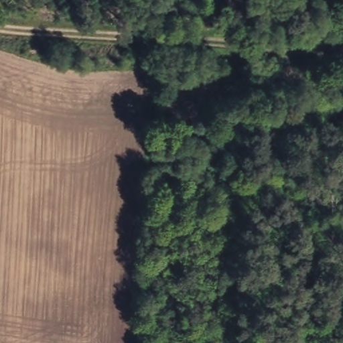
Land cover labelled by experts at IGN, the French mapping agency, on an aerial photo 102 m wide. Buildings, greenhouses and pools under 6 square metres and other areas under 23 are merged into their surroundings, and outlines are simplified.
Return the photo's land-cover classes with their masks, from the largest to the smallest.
<instances>
[{"label":"coniferous trees","instance_id":"1","mask_svg":"<svg viewBox=\"0 0 343 343\"><path fill-rule=\"evenodd\" d=\"M213 12L206 15L202 21L206 28L224 32L225 38H228V39H229L244 27L248 32L256 31V23L260 16L249 15V0H212ZM305 8L300 11L296 9L288 20H271L272 32H277L280 28L297 29L310 21L334 20L340 23V12L343 13V0H304ZM186 9L180 8L165 13L163 35L176 31V17H185ZM159 48H161V43L157 42V40L155 39H145L142 42L141 50V56L143 59H145L147 58V56L151 54V52H153L154 50H159ZM265 58H275L280 70L275 75L268 76L264 83H252L249 80L252 75V64L243 56L221 55L218 58V67L229 66V75L222 76L214 82L198 84L192 90L178 91L177 99L170 106H162L155 114L142 115V133L145 135L147 131L157 130L169 122L176 125L184 123L192 127H209L218 114L229 115L233 110L243 109L253 113L263 110L265 106H272L271 113L275 114L279 106L287 105V110L297 111L304 103L305 71L311 72L312 82H319L323 76L334 75L331 72V63H338L343 58V44L320 43L312 51L291 50L287 51L285 56L277 54L276 51H267L264 54ZM232 141L226 142L224 147L218 149L210 158L209 163L214 167L212 188L200 182L196 193L190 198H184L188 188L181 184L180 178L165 173L154 182L153 192L145 193L139 202V209L147 221L135 241L137 267L147 261L158 263L161 256H166L169 261V264L153 277L149 287L143 288L141 297L133 303L135 312L127 322L129 327L123 335V343H193L190 335L193 334L194 324H202L209 331L221 327L222 343H303L300 342L301 331L312 326L324 327L326 324H332L334 331L327 335L322 343H343V229L334 225L324 232L326 240H316L312 243V232L308 226L323 222L335 214H343V110L335 113L314 111L305 114L304 121L299 125H283L271 130H263L261 127L248 130L245 129L244 123H237L233 129ZM234 181L243 185L256 184L260 188L259 192L252 196H241L233 192ZM193 202L198 204L197 218L210 216L216 213L217 209H229L226 224L216 232L205 230L197 241H192L189 234H184L171 238L169 245H158V234L167 232V226L171 224H181L184 210Z\"/></svg>","mask_w":343,"mask_h":343},{"label":"agricultural land","instance_id":"2","mask_svg":"<svg viewBox=\"0 0 343 343\"><path fill-rule=\"evenodd\" d=\"M145 39L139 38L138 35L134 36L133 42L126 46L115 44L119 54L133 56V71H98L90 74L79 72H59L47 64L0 51V343H123V335L129 327L127 322L135 312L133 303L141 297L143 288L135 279L137 267L135 241L147 221L139 209V202L145 193L142 186L143 178L151 170L157 169L159 163L145 161V154L149 149L146 147L145 135L142 133V115L155 114L162 106L157 102L163 90L162 83L143 70L142 64L145 59H143L141 56V50L142 42Z\"/></svg>","mask_w":343,"mask_h":343},{"label":"deciduous trees","instance_id":"3","mask_svg":"<svg viewBox=\"0 0 343 343\"><path fill-rule=\"evenodd\" d=\"M180 8L186 9L185 17H176V31L163 35L165 13ZM305 8L304 0H249V15L260 16L256 23V31L248 32L244 27L229 39V40H230V44H225V48H218V47H210V46H208V44H206V46H201L200 42H201V39H202V38H206V39H208V38H210V36H222V38H225L224 32L206 28L202 21L206 15L213 12L212 0H137L133 4V16L127 21L125 29L126 33H133L134 36L138 35L139 38L145 39H155L157 40V42L161 43V48H159V50H154L153 52H151V54L147 56V58L145 59L142 64L143 70L162 83L163 90L157 102L162 106H170L177 99L178 91L192 90L198 84L214 82L222 76L229 75V66L218 67V58L221 55L243 56L252 64V75L249 80L252 83H264L268 76L275 75L280 70L275 58H265L264 54L267 51H276L277 54L285 56L287 51L291 50L312 51L320 43L343 44V13L340 12V23L334 20L310 21L297 29L280 28L277 32H272L271 20H288L296 9L300 11ZM84 59V52L74 39L64 38L62 43L52 47L51 62L47 64L59 72H79L83 70ZM331 72L334 75L323 76L319 82H312L311 72L305 71L304 103L297 111L287 110V105L279 106L275 114L271 113L272 106H265L263 110L253 113L243 109L233 110L229 115L218 114L209 127H192L184 123L176 125L169 122L157 130L147 131L145 135L146 147L149 149L145 154V161L159 163L157 169L151 170L143 178L142 186L145 193L153 192L154 182L165 173L180 178L181 184L188 188L184 198H190L196 193L200 182L212 188L214 167L209 163L210 158L218 149L224 147L226 142L232 141L233 129L237 123H244L245 129L248 130L261 127L263 130H271L283 125H299L304 121L305 114L314 111L335 113L343 110V58L338 63H331ZM233 192L241 196H252L259 192L260 188L256 184L243 185L234 181ZM198 204L193 202L184 210L181 224H171L167 226V232L158 234V245H169L171 238L184 234H189L192 241H197L205 230L216 232L226 224L229 209H217L216 213L210 216L197 218ZM334 225L343 229V214H335L323 222L308 226L312 232V243L316 240H326L324 232ZM169 264V261L166 256H161L158 263L147 261L137 267L135 279L143 288L149 287L153 277ZM193 343H222L221 327L209 331L202 324H194L193 334L190 335ZM334 331L332 324H326L324 327L312 326L301 331L300 342L303 343H322L327 335Z\"/></svg>","mask_w":343,"mask_h":343},{"label":"herbaceous vegetation","instance_id":"4","mask_svg":"<svg viewBox=\"0 0 343 343\"><path fill-rule=\"evenodd\" d=\"M137 0H90L82 9L83 17H86L84 25L78 29L80 35H94V32L100 29L117 31V40L74 39L84 52V59L98 62L99 59L106 58L107 52L114 56L119 54L115 44L126 46L133 42L134 36L133 33H126L125 29L127 21L133 16V4ZM29 25L33 28L31 36L0 33V51L47 64L51 62L52 47L62 43L64 38L62 32H58L60 28H74L72 21L62 20L60 17L54 19V11L47 8L33 7L29 11L20 12H9V9H4L0 13V25Z\"/></svg>","mask_w":343,"mask_h":343},{"label":"brushwood","instance_id":"5","mask_svg":"<svg viewBox=\"0 0 343 343\"><path fill-rule=\"evenodd\" d=\"M90 0H0V13L4 9H9V12H20L29 11L33 7L47 8L54 11V19L60 17L62 20L72 21L74 28L78 29L84 25L86 17H83L82 9ZM83 70L79 72L90 74L98 71H133V56L119 54L114 56L107 52L106 58L99 59L98 62L84 59Z\"/></svg>","mask_w":343,"mask_h":343},{"label":"pervious surface","instance_id":"6","mask_svg":"<svg viewBox=\"0 0 343 343\"><path fill-rule=\"evenodd\" d=\"M33 28L29 25H0V33L31 36ZM58 32H62L64 38L74 39L117 40V31L100 29L94 32V35H80L78 29L74 28H60ZM201 46H206V44H208V46H210V47H218V48H225V44H230V40H229V39H228V38H222V36H210V38H208V39H206V38H202V39H201V42H200Z\"/></svg>","mask_w":343,"mask_h":343}]
</instances>
